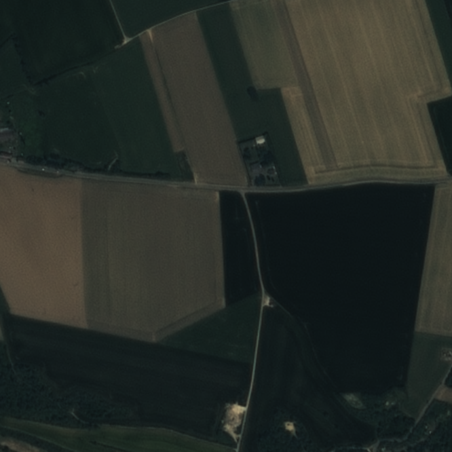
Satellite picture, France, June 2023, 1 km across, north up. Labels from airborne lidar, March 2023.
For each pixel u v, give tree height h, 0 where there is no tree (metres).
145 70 0
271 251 0
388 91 0
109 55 0
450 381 6
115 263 0
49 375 0
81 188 0
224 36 0
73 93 0
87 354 0
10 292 0
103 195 0
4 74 0
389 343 0
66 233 0
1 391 9
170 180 0
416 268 0
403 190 0
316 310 0
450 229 0
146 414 0
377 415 12
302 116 0
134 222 0
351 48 0
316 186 0
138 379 0
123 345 0
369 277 0
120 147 0
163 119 0
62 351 0
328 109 0
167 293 0
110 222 0
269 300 0
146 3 0
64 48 0
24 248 0
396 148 0
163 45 0
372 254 0
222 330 0
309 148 0
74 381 0
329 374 0
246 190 0
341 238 0
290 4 0
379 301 0
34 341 0
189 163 0
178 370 0
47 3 0
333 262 0
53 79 11
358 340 0
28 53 0
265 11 0
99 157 0
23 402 17
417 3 0
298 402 0
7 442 0
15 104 0
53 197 0
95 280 0
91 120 0
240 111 0
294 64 0
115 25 0
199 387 0
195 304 0
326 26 0
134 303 0
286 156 0
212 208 0
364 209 0
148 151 0
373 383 0
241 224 0
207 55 0
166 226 0
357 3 0
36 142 0
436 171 0
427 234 0
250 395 0
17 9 0
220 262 0
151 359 0
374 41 0
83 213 0
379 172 0
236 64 0
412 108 0
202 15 0
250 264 0
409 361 0
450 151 0
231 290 0
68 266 0
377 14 0
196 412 0
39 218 0
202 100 0
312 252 0
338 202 0
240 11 0
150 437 0
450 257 0
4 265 0
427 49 0
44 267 0
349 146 0
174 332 0
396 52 0
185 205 0
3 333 0
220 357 0
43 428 0
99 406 7
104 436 0
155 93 0
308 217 0
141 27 0
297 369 0
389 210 0
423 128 0
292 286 0
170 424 0
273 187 0
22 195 0
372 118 0
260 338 0
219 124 0
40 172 0
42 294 0
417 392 0
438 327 0
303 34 0
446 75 0
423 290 0
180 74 0
